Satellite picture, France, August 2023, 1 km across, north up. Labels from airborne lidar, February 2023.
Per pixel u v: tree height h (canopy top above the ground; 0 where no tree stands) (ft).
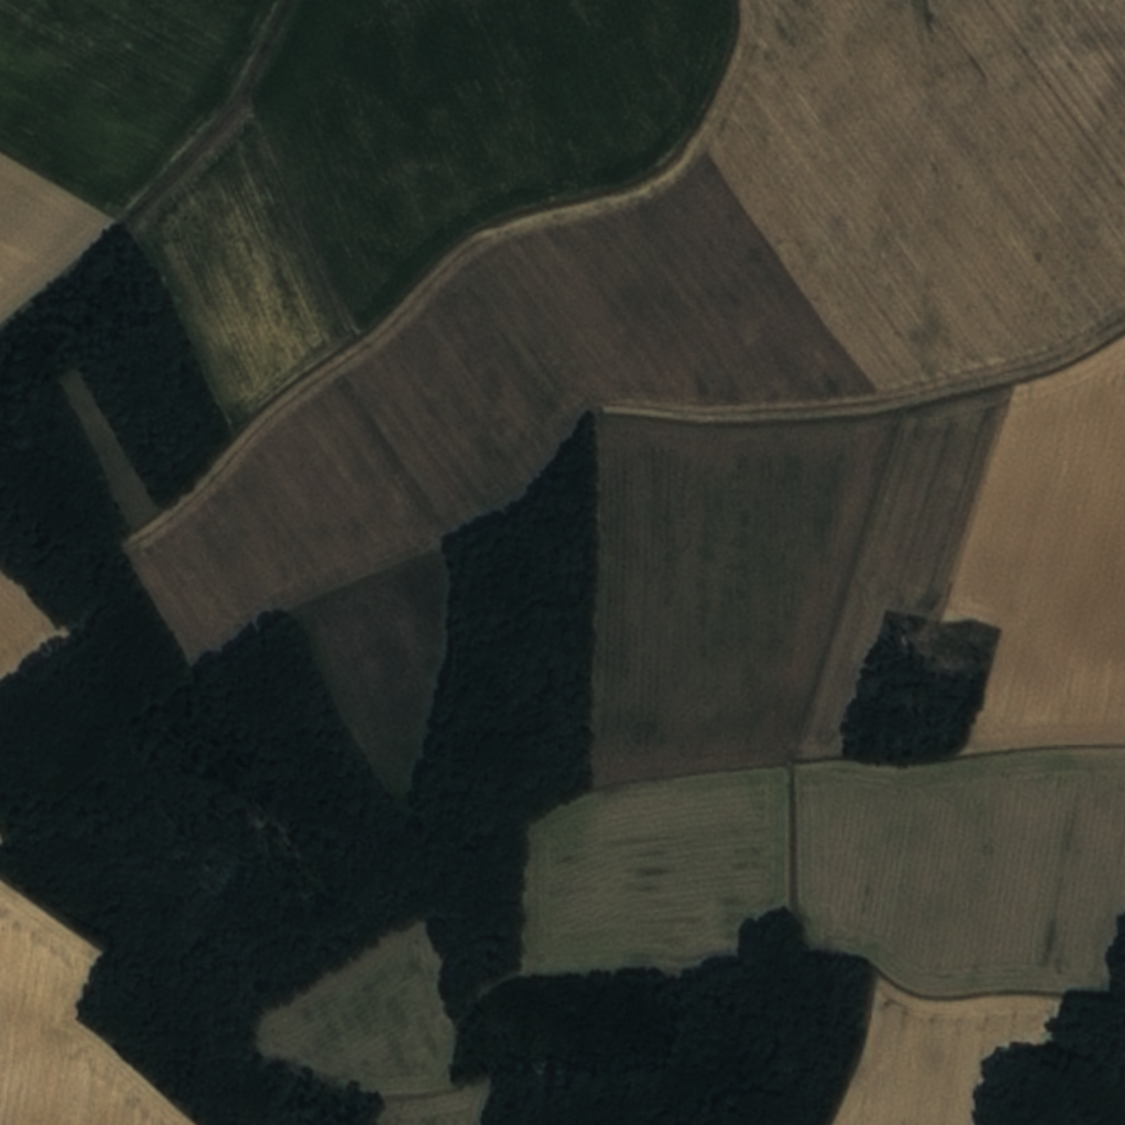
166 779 68
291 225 0
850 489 0
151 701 46
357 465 0
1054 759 0
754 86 0
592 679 36
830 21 0
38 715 70
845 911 0
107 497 58
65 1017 0
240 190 0
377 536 0
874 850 0
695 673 0
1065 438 0
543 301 0
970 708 44
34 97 0
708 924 0
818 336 0
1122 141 0
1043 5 0
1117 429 0
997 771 0
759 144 0
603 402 0
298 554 0
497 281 0
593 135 0
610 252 0
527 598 69
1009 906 0
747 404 0
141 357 74
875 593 0
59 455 56
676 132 0
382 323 0
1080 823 0
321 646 0
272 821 63
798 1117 71
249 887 56
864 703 42
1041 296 0
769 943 52
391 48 0
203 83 0
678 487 0
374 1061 0
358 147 0
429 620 0
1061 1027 49
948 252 0
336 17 0
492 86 0
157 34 0
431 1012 0
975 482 0
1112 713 0
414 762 0
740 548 0
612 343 0
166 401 68
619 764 0
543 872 0
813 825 0
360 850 77
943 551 0
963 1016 0
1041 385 0
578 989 19
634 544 0
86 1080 0
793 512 0
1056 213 0
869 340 0
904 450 0
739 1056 36
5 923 0
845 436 0
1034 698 0
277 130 0
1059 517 0
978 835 0
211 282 0
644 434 0
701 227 0
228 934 73
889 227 0
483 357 0
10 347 33
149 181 0
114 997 69
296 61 0
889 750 45
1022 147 0
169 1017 73
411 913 72
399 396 0
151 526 0
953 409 0
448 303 0
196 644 0
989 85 0
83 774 68
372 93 0
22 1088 0
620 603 0
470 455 0
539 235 0
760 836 0
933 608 0
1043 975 0
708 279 0
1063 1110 70
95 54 0
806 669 0
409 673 0
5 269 0
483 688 77
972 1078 0
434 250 0
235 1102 53
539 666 64
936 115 0
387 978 0
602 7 0
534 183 0
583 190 0
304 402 0
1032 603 0
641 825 0
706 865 0
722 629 0
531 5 0
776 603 0
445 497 0
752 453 0
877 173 0
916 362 0
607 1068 21
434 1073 0
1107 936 0
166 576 0
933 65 0
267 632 62
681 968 0
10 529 73
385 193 0
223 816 72
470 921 74
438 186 0
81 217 0
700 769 0
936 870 0
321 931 71
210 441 63
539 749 74
